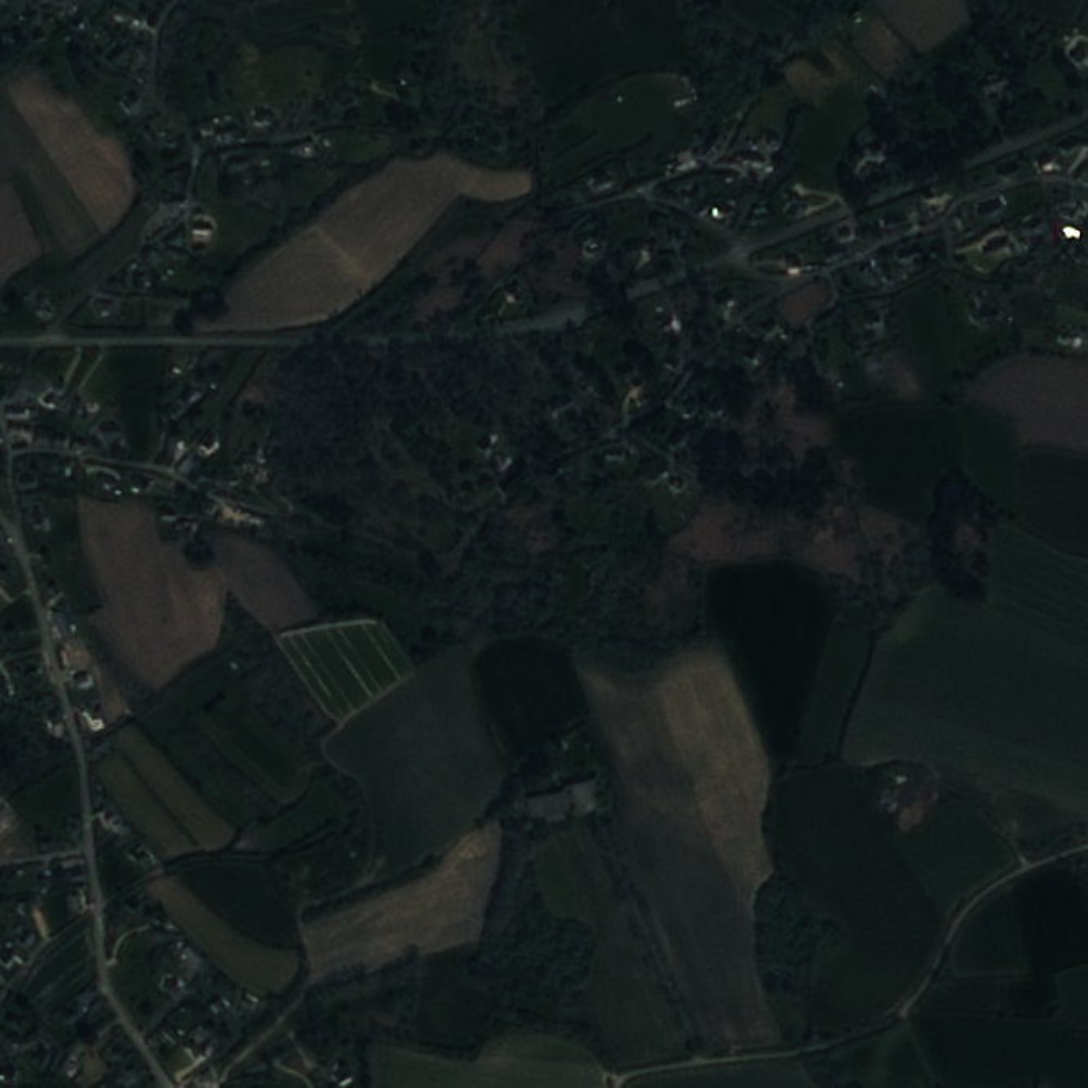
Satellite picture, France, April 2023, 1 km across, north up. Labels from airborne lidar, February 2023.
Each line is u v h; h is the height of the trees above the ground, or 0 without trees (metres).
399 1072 0
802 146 0
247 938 0
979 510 27
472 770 0
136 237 0
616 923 0
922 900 0
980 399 0
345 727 0
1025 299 0
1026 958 0
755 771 0
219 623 0
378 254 0
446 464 13
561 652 0
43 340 0
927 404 0
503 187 0
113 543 0
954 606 0
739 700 0
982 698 0
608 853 18
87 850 0
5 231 0
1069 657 0
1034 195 0
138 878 0
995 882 0
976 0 7
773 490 22
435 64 9
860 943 0
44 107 0
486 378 19
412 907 0
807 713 0
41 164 0
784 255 0
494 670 0
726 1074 0
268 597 0
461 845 0
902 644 0
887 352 6
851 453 0
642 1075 0
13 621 0
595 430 15
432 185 0
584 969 10
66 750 11
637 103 0
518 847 16
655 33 0
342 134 0
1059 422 0
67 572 0
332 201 7
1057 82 0
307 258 0
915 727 0
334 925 0
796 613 0
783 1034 0
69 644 0
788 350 6
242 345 0
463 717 0
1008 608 0
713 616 0
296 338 0
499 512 8
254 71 0
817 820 0
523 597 12
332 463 18
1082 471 0
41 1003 0
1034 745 0
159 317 0
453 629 21
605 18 0
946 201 0
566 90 0
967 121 12
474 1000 0
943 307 0
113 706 0
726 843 0
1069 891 0
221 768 0
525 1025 7
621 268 11
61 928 0
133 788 0
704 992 0
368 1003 0
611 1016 0
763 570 0
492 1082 0
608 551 7
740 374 13
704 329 20
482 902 0
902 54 0
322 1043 15
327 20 0
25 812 0
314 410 18
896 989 0
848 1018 0
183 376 0
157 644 0
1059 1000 0
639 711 0
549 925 8
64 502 0
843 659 0
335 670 0
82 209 0
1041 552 0
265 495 13
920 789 0
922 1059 0
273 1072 18
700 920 0
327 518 22
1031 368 0
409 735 0
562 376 17
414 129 20
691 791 0
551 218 6
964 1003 0
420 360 12
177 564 0
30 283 0
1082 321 0
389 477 0
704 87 8
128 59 0
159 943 0
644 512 0
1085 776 0
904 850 0
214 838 0
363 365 19
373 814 0
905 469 0
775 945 11
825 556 0
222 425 8
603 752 0
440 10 8
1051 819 0
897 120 10
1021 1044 0
